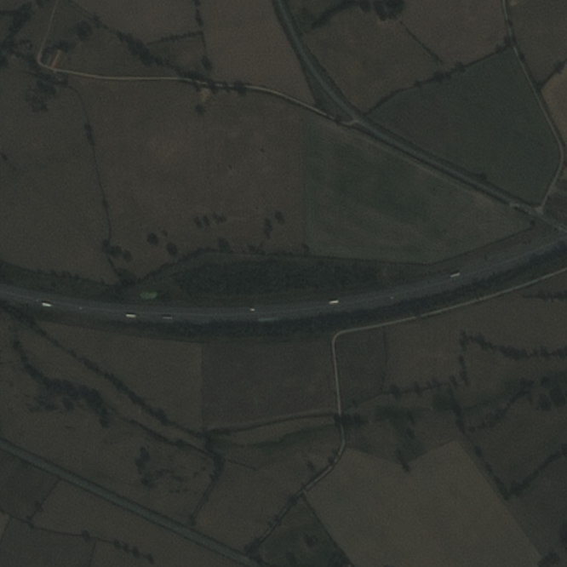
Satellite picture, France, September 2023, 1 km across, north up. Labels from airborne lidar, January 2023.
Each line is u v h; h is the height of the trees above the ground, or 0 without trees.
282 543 0
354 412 0
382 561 0
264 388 0
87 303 0
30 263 0
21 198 0
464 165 0
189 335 12
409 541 0
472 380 0
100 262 0
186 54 0
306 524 0
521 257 0
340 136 0
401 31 0
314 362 0
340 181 0
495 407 0
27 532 0
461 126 0
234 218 0
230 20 0
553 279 0
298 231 0
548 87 0
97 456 0
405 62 0
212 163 0
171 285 0
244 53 0
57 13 0
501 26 0
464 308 0
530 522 0
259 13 0
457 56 0
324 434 0
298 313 0
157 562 0
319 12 0
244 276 7
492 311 0
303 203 0
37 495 0
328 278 13
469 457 0
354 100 0
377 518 0
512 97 0
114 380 12
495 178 0
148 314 0
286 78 0
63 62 0
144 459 11
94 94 0
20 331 0
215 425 0
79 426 0
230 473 0
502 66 0
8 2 0
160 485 0
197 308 0
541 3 0
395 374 0
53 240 0
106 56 0
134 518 0
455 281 0
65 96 0
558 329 0
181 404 0
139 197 0
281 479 0
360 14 0
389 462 0
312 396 0
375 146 0
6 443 0
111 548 0
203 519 0
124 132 0
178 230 0
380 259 0
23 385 0
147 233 0
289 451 0
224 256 0
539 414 0
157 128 0
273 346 0
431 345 0
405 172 0
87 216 0
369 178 0
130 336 0
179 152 0
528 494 0
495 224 0
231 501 0
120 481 0
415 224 0
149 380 0
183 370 0
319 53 0
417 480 0
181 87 0
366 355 0
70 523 0
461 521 0
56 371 0
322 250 0
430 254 0
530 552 0
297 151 0
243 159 0
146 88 0
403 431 0
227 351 0
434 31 0
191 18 0
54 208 0
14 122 0
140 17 0
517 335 0
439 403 0
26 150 0
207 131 0
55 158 0
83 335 0
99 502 0
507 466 0
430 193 0
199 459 0
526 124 0
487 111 0
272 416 0
